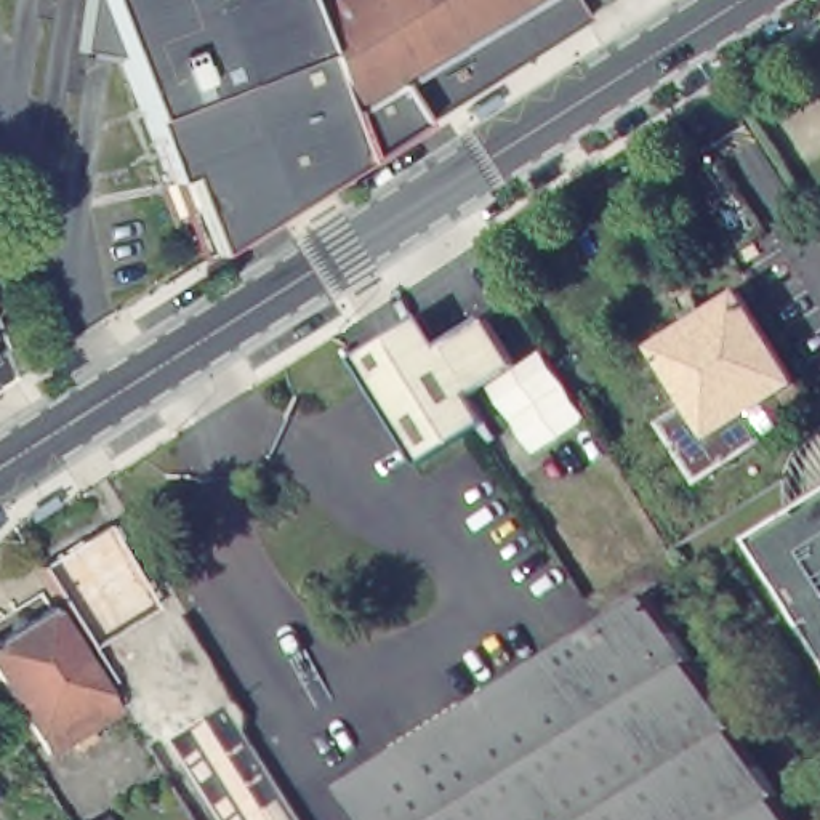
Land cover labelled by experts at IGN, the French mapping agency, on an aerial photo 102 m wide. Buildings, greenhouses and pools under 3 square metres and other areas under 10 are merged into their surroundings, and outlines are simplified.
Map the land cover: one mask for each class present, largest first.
<instances>
[{"label":"impervious surface","instance_id":"1","mask_svg":"<svg viewBox=\"0 0 820 820\"><path fill-rule=\"evenodd\" d=\"M794 0H586V6L596 10V19L586 29L564 38L561 45L545 51L538 61L519 67L506 80L484 86L458 109L445 112V131L426 125L423 135L407 138V144L384 154L375 163V186H349L343 199L327 195L314 202L291 221L234 243L231 259H221L211 269L199 263L179 272L173 282L157 285L154 291L135 298L128 308L115 314L109 311L106 298L112 288L128 285L131 279H144L141 221L131 215V202L154 195L167 199L170 189L163 179L122 192H90L86 160L96 163L106 86L83 70L80 29L86 0H0V154L29 163L35 176L48 183L54 208L61 215L64 247L42 269H35V275L42 285H48L58 317L67 327V365L74 372V391L64 400H54L42 391L35 372L13 378V362H10L6 368H0V557L3 541L26 519H45L80 496L96 480L109 477L135 464L157 445L179 439V477L167 484L173 490V500L183 506L186 535L179 538L176 551L186 557V573L192 580L189 589H179L167 599V605L157 609L154 618L141 621L122 637H106L96 644V666L106 685L119 698L131 701V718H109L99 727L96 746H90L86 753H74V746L58 743L45 759L48 769H42L38 775L45 782L48 798L67 814V820H111L109 807L131 782H151L163 772L154 759V746L163 743L176 740L179 734L195 737L199 730H205L208 714L221 705L224 695H231L243 711L247 740L256 746L259 759L279 782L288 810L298 820H349V814L330 791L333 782L378 756L391 740L416 727L420 721L468 698L474 685L480 692L493 689L500 676L516 669V663L529 666L535 650L580 631L596 615L589 596H580L577 586L557 567L545 564L541 554L513 525L493 484L480 474V468L471 458L448 464L432 477H420L416 455H410V448L400 442L394 423L388 420L378 397L368 388L327 413H304L298 410V400L288 397L282 413L269 410L259 400L263 384L279 375L301 356L330 343L333 336H343L346 349H359L378 333L407 324L410 317L416 320L426 340H439L461 324H480L490 308L484 275L471 259L474 240L480 237V231L500 227L522 215L535 202L541 186L551 192L561 189L583 167H599L612 160L628 147L625 135H631L637 125L666 122L669 131L682 141V147L695 138L705 157H718L727 163V170L740 183L743 199L759 218L762 240L756 247H743V259H750L759 272L746 279L737 295V301L756 324L759 336L778 359L785 378L794 384L791 400L801 420V442L820 439V243L810 250H791L778 240V186L772 163L766 160L750 131L737 119L721 115L711 106L708 83L718 61V45L750 38L759 29L778 32L785 26L782 6ZM38 22H51V54L45 93L38 103H32L29 67ZM529 176L532 186L522 199H516L506 208L493 202V189H500L506 179ZM208 272H240V288L224 301L208 304L199 285ZM282 455L295 471L291 484H298L308 496L320 503L330 516H336L346 529L375 541L378 554H404L416 561L426 570V577L439 580V609L426 625L410 628L400 637L362 647L343 650L320 641L295 593L285 586L272 561L266 557L256 529L247 503L231 487L237 471H259L266 458Z\"/></svg>","mask_w":820,"mask_h":820},{"label":"building","instance_id":"2","mask_svg":"<svg viewBox=\"0 0 820 820\"><path fill-rule=\"evenodd\" d=\"M596 19V10L586 6V0H86L80 29L83 70L106 86L109 74L125 70L128 90L147 122L157 157L163 163V179L170 189L167 199L179 221L195 231L199 263L211 269L221 259H231L234 243L291 221L314 202L327 195L343 199L349 186H375V163L384 154L407 144V138L423 135L426 125L445 131V112L458 109L484 86L506 80L519 67L538 61L545 51L561 45L564 38L586 29ZM641 352L660 378L663 391L669 394V404L653 416V432L685 484L708 480L711 474H718L734 458L753 448V429L766 432L775 404L791 400L794 384L785 378L778 359L759 336L756 324L737 301V295H714L692 314H682L679 320L650 333L641 346ZM340 359H352L368 388L378 397L388 420L394 423L400 442L410 448V455H426L429 448H436L461 429H471L484 442H490V429L471 416L464 404V394L474 388L487 391L490 404L509 426V436L525 452H548L580 420L570 400L561 381L548 372V365L541 356L532 352L516 365L506 362L480 324H461L439 340H426L416 320L410 317L407 324L378 333L359 349H346L340 352ZM10 362H13V352H10V349H3V352H0V368H6ZM788 500L769 516L737 532V551L750 564L753 577L759 580L775 612L804 647L807 660L820 669V439L801 442L791 458L785 480ZM45 567L54 573L64 596L58 599L48 589H32L26 599L32 609H22L6 625H0V701L6 705L19 698L29 708V730L45 759L58 743L74 746V753H86L90 746H96L99 727L109 718H131V701L119 698L106 685L96 666V644L106 637H122L141 621L154 618L157 609L167 605V599L138 567L122 532H103L99 538L83 541L70 554L58 557ZM727 721L714 711L711 701L708 663L695 650L689 625L679 618L673 596L663 586L647 589L641 602H625L615 612L596 615L580 631L535 650L529 666L516 663V669L500 676L493 689L480 692L474 685L468 698L420 721L416 727L391 740L378 756L333 782L330 791L349 814V820H775V814L766 804V788L724 743ZM170 762L183 772L189 791L211 820H298L288 810L279 782L259 759L256 746L247 740L243 711L231 695H224L221 705L208 714L205 730H199L195 737L179 734L176 740L163 743Z\"/></svg>","mask_w":820,"mask_h":820},{"label":"deciduous trees","instance_id":"3","mask_svg":"<svg viewBox=\"0 0 820 820\"><path fill-rule=\"evenodd\" d=\"M820 13V0H794L782 6L785 26H801L804 19H814ZM711 106L721 115L737 119L750 131L762 128L769 135L775 125L785 128L788 115L820 99V93L817 77L804 70L791 48H759L750 38L718 45V61L708 83ZM628 147L612 160L628 176L621 186H615L609 199L599 227V247L586 269V279L554 291L557 298L551 304V314L561 333L577 346L580 368L593 381H599L612 400L631 391L625 368L628 359L641 352V346L625 333H615L612 327V308L625 301V295L637 282L634 263L618 253L625 240H644L657 275V295L663 288H685L692 295L698 288L701 272L711 275L714 269H721L711 259V247L695 240L689 231L692 192L689 183L679 176L682 147V141L669 131L666 122L637 125L631 135H625ZM64 247L61 215L54 208L48 183L35 176L29 163L0 154V352H3V349H10V352H13V378L35 372L42 391L54 400H64L74 391V372L67 365V327L58 317L48 285H42L35 275V269H42ZM807 186L794 179L788 189L778 186V240L791 250H810L820 243V157L807 160ZM532 186L529 176L506 179L500 189H493V202L506 208L516 199H522ZM577 211L564 202L561 189L551 192L541 186L535 202L522 215L500 227L480 231V237L474 240L471 259L484 275L490 308L519 320L522 314L535 311V285L541 282V275L529 266V259L538 250H561L573 237ZM163 259L179 272L199 263L195 231L179 221L160 240ZM199 285L208 304L224 301L240 288V272H208ZM259 400L269 410L282 413L288 397V384L279 375L263 384ZM766 432L753 429V448L762 458H791L801 442V420L791 400L775 404ZM295 471L282 455L266 458L259 471H237L231 487L247 503L256 529L275 509L272 503H279L282 509H298L308 496L298 484H291ZM122 532L138 567L167 599L179 589H189L192 580L186 573V557L176 551L179 538L186 535L183 506L173 500V490L167 484L157 487L154 496L131 500L128 506H122ZM99 509L96 496H80L45 519H26L3 541L0 557V580H19L45 567L58 557L51 545L58 538H70ZM663 586L673 596L679 618L689 625L695 650L708 663L711 701L714 711L727 721L724 743L766 788V804L775 814V820H820V669L807 660L804 647L775 612L759 580L753 577L750 583H743L734 580V573H724L714 583L711 564H689L679 551H666ZM320 641L343 650L362 647V634L368 628H391L400 625V618L389 591L362 557H349L340 570L330 573H311L308 586L295 593ZM22 730H29V708L19 698L6 705L0 701V746H13ZM173 788L170 775L163 772L151 782H131L109 807L111 820H128L131 807L144 804L147 798L160 801L163 791Z\"/></svg>","mask_w":820,"mask_h":820},{"label":"herbaceous vegetation","instance_id":"4","mask_svg":"<svg viewBox=\"0 0 820 820\"><path fill-rule=\"evenodd\" d=\"M750 38L759 48H791L804 70L817 77L820 93V13L814 19H804L801 26H785L778 32L759 29ZM51 54V22H38L29 67L32 103H38L45 93ZM90 192H122L163 179V163L157 157L147 122L128 90L125 70L109 74L106 86L96 163L86 160ZM705 157L695 138L682 147L679 176L689 183L692 192L689 231L695 240L711 247V259L721 269H714L711 275L701 272L698 288L692 295L685 288H663L657 295V275L644 240H625L618 253L634 263L637 282L625 295V301L612 308V327L615 333H625L641 346L650 333L679 320L682 314H692L714 295H737L746 279L759 272L750 259H743V218L727 202L714 173L705 170ZM628 176L612 160L599 167H583L561 189L564 202L577 211L573 237L561 250H538L529 259V266L541 275V282L535 285V311L548 340L554 343V359L548 365V372L561 381L570 400L583 391L596 407L609 439L615 442V464L605 452L596 448L593 432L580 420L548 452H525L509 436V426L490 404L487 391L474 388L464 394V404L471 416L490 429V442L493 458L500 461V468L506 471V477L513 480V487L519 490V496L548 535L541 554L545 564L557 567L577 586L580 596H589L596 615L615 612L625 602H641L647 589L663 586L666 551H679L689 564H711L714 583L724 573H734V580L743 583H750L753 577L750 564L737 551V532L769 516L788 500L785 480L791 458H762L753 448L734 458L718 474H711L708 480L685 484L653 432V416L669 404V394L663 391L660 378L641 352L628 359L625 368L631 391L612 400L599 381H593L580 368L577 346L561 333L551 314V304L557 298L554 291L586 279V269L599 247V227L609 199L615 186H621ZM131 215L141 221L144 279H131L128 285L112 288L106 298L109 311L115 314L128 308L135 298L154 291L157 285L173 282L179 272L163 259L160 240L179 221L167 199L154 195L131 202ZM480 324L506 362L516 365L532 352V340L519 320L490 308ZM346 349L343 336H333L330 343L301 356L279 375L288 384V397L298 400V410L304 413H327L368 388L352 359H340V352ZM179 439L157 445L135 464L109 477L122 506H128L131 500L154 496L157 487L167 484L179 477ZM275 509L256 529L266 557L272 561L285 586L295 593L308 586L311 573H330L340 570L349 557H362L389 591L400 618V625L391 628H368L362 634V647L400 637L410 628L426 625L439 609V580L426 577V570L416 561L404 554H378L375 541L346 529L336 516H330L320 503L308 496L298 509H282L279 503H272ZM42 769H48L45 759L29 730H22L13 746H0V820H67V814L48 798L45 782L38 775ZM154 759L163 772L170 775L173 788L163 791L160 801L147 798L144 804L131 807L128 820H211L189 791L183 772L170 762L163 743L154 746Z\"/></svg>","mask_w":820,"mask_h":820},{"label":"brushwood","instance_id":"5","mask_svg":"<svg viewBox=\"0 0 820 820\"><path fill-rule=\"evenodd\" d=\"M766 160L772 163L778 186L788 189L794 179L769 135L762 128L750 131ZM705 170L714 173L727 202L743 218V247H756L762 240L759 218L743 199L740 183L727 170V163L718 157H705ZM532 340V352L541 356L548 365L554 359V343L548 340L535 311L522 314L519 320ZM580 420L593 432L596 448L605 452L615 464V442L609 439L596 407L583 391L570 400ZM471 458L480 468V474L493 484L513 525L541 554L548 535L519 496V490L513 487V480L506 477V471L500 468V461L493 458L490 442H484L471 429H461L436 448H429L426 455H416L420 477H432L448 464Z\"/></svg>","mask_w":820,"mask_h":820},{"label":"pervious surface","instance_id":"6","mask_svg":"<svg viewBox=\"0 0 820 820\"><path fill-rule=\"evenodd\" d=\"M794 179L807 186V160L820 157V99L788 115L785 128L775 125L769 135ZM80 496H96L99 509L70 538H58L51 545L58 557L70 554L83 541L99 538L103 532H122V506L109 477L96 480ZM32 589H48L58 599L64 596L54 573L45 567L19 580H0V625H6L22 609H32L26 599Z\"/></svg>","mask_w":820,"mask_h":820}]
</instances>
